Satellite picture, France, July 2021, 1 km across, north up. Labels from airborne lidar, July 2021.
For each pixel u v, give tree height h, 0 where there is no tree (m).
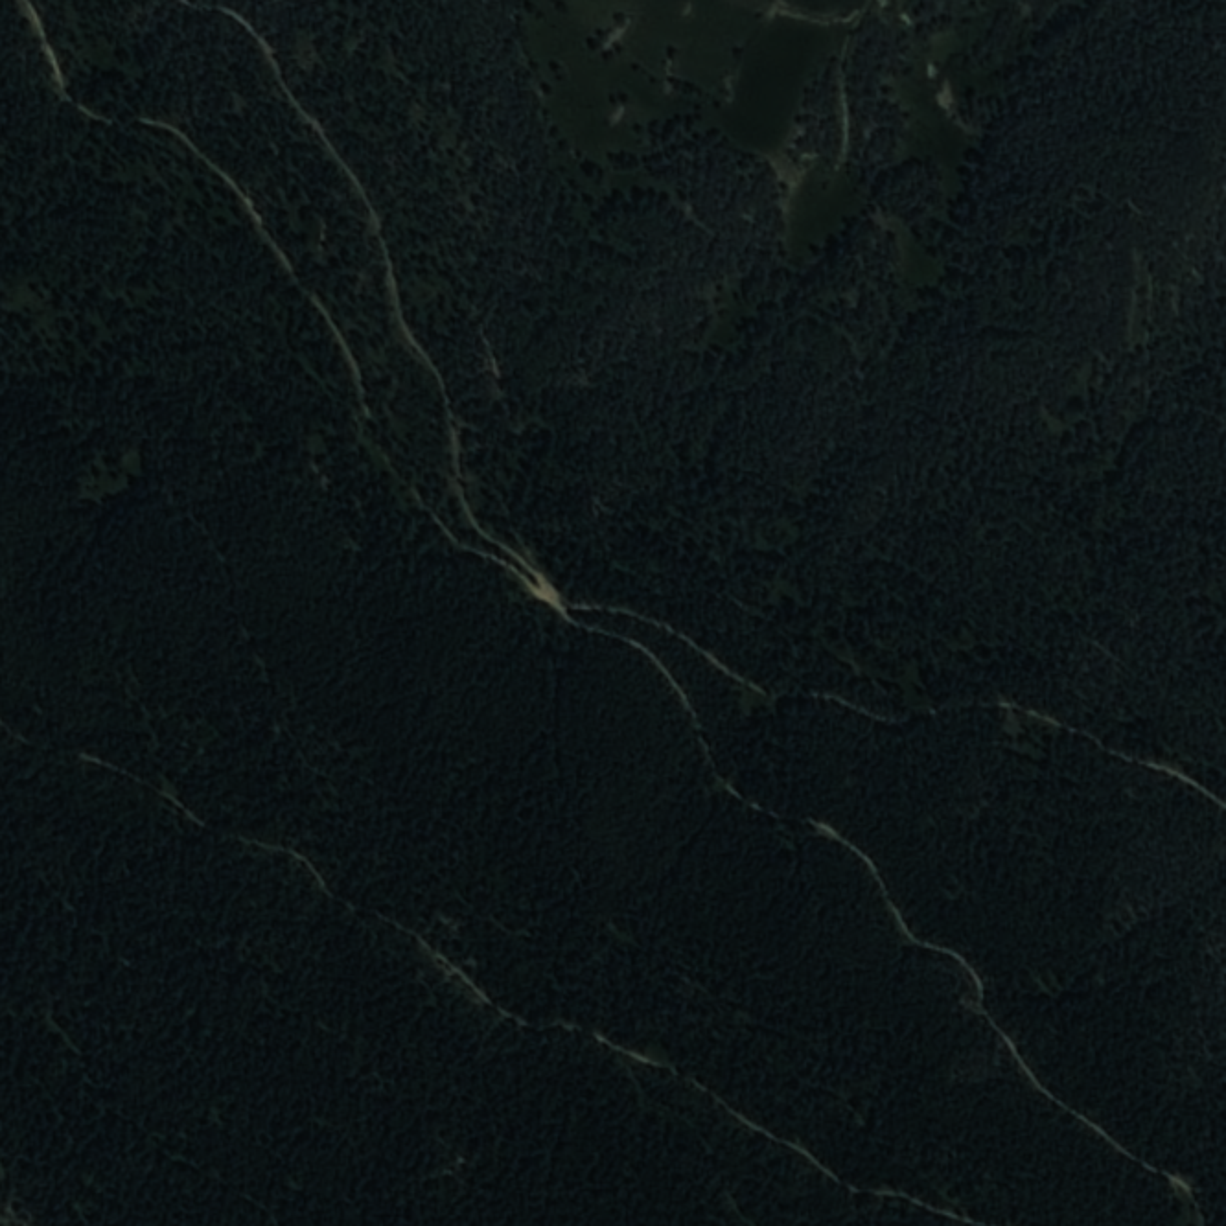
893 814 19
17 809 20
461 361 17
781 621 29
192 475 21
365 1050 16
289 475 19
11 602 20
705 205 10
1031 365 14
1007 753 17
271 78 12
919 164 12
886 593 18
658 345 17
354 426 19
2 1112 8
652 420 26
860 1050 21
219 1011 16
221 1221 22
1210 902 16
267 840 16
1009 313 20
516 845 20
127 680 9
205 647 12
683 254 13
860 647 19
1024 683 19
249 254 20
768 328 24
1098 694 17
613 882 15
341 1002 19
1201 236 8
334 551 20
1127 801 15
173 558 23
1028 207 18
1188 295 12
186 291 26
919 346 23
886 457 15
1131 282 12
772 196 10
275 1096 16
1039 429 17
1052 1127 17
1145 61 13
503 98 15
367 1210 20
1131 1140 18
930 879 16
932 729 18
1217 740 15
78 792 17
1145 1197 16
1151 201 12
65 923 17
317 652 15
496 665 16
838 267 20
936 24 10
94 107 14
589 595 23
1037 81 16
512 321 16
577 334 17
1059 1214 13
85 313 29
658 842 16
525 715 16
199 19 9
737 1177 16
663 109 0
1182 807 19
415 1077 14
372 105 19
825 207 0
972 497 14
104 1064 19
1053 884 19
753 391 17
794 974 20
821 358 18
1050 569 17
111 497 0
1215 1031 11
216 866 15
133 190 10
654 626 12
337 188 14
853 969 18
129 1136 25
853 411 18
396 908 8
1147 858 12
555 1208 19
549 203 18
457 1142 11
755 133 0
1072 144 16
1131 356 8
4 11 20
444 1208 15
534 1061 14
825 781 20
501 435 26
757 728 20
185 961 21
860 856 8
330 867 10
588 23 0
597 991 18
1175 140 16
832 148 10
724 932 11
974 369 14
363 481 22
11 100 19
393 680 8
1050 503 15
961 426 14
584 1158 12
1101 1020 15
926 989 17
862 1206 19
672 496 22
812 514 15
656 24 0
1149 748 19
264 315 24
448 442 18
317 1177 21
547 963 21
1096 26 16
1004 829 17
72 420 16
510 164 16
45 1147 21
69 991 21
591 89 0
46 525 20
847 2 0
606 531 16
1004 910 15
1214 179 11
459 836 22
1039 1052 14
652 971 14
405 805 20
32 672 20
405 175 8
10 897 18
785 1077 8
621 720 18
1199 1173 12
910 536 13
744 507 18
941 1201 13
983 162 28
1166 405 22
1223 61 11
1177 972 18
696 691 14
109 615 24
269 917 10
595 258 20
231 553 20
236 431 16
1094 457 19
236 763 16
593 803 15
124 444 21
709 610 20
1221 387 19
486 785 8
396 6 18
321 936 25
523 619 17
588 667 18
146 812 9
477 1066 25
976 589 14
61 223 15
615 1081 15
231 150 12
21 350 24
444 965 6
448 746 10
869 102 8
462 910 17
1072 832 18
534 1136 10
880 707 26
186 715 7
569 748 16
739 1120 12
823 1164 16
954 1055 11
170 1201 14
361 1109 20
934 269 0
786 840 8
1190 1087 7
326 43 20
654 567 18
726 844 20
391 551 25
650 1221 13
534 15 7
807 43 0
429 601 20
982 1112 16
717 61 0
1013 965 21
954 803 17
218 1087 15
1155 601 17
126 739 18
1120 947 21
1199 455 15
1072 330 12
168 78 14
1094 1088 21
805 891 21
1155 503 15
